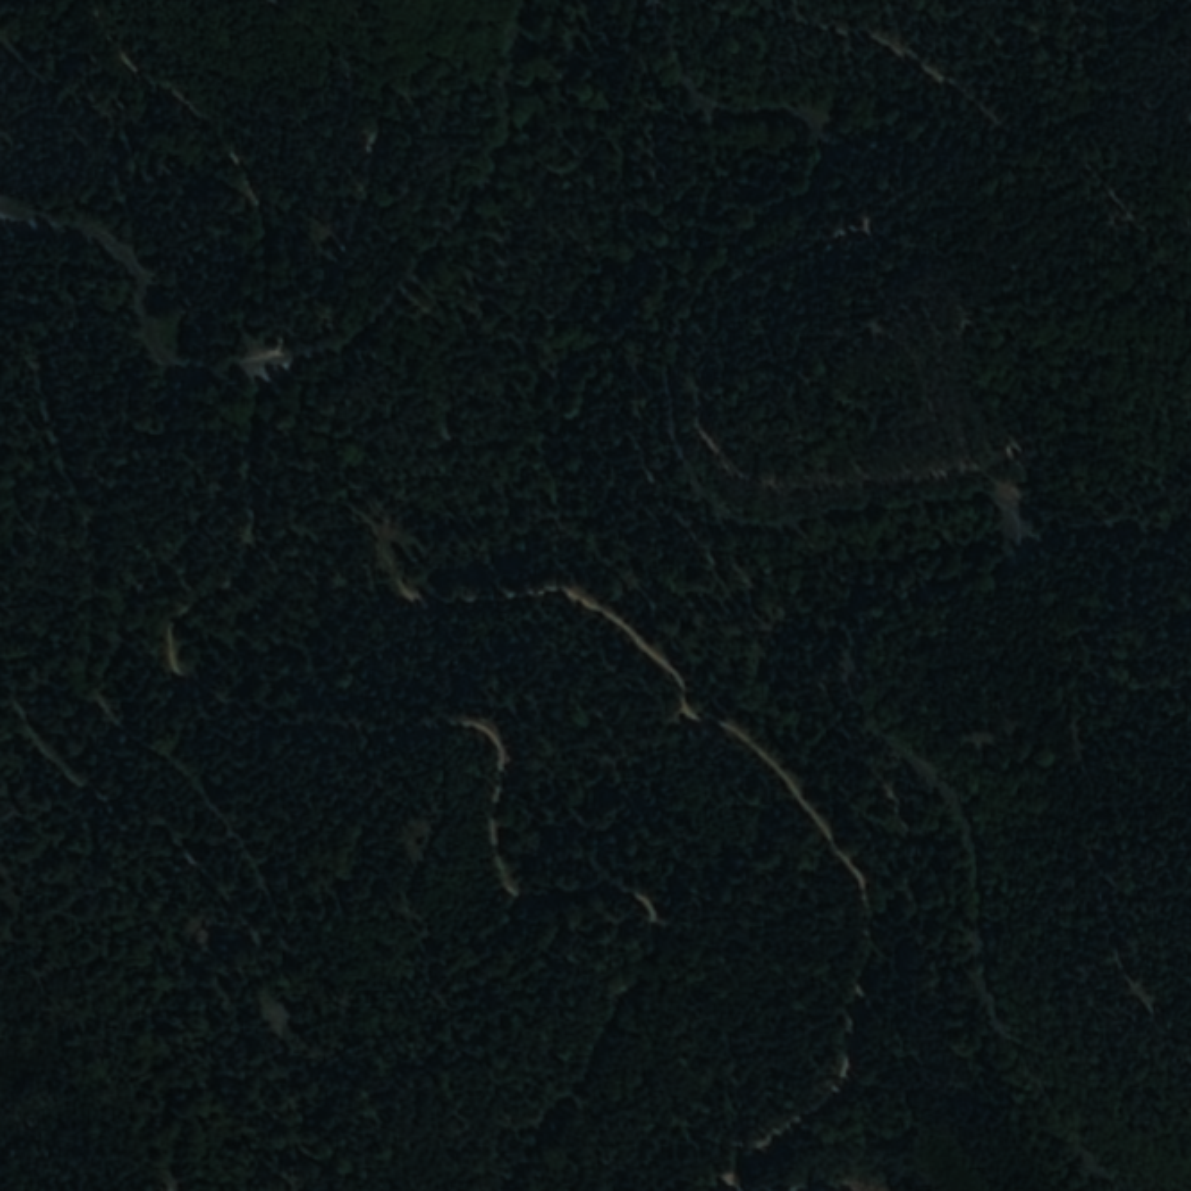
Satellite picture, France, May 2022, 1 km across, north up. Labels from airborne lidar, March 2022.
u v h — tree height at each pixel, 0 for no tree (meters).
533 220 25
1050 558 15
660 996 31
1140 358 24
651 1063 29
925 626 18
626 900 16
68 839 30
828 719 32
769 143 30
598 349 26
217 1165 6
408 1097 29
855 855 29
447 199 7
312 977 9
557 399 27
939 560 24
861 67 24
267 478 33
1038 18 30
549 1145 34
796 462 20
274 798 30
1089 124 27
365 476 35
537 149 25
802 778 33
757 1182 28
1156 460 18
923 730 23
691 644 26
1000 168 22
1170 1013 23
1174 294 23
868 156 31
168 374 6
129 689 33
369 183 21
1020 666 20
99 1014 12
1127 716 25
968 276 18
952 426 20
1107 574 12
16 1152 24
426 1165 29
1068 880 13
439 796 7
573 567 9
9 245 32
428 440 25
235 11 18
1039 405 22
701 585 19
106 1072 13
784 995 28
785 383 28
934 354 17
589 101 27
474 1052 12
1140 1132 23
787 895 35
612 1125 29
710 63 13
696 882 30
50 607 31
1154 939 18
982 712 16
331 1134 33
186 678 0
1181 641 30
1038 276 17
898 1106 19
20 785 28
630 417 8
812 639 33
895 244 8
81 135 35
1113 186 12
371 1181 21
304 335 22
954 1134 27
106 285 26
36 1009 10
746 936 31
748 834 16
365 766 34
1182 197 22
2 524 14
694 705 15
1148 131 22
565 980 20
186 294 31
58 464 9
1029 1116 31
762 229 28
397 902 13
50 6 25
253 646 18
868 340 23
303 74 19
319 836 27
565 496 17
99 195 34
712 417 28
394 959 31
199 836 24
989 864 21
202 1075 8
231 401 31
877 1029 28
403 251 22
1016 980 25
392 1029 9
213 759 27
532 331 26
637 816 34
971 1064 7
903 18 26
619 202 21
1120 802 21
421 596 0
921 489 24
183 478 23
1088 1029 15
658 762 12
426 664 9
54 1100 20
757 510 18
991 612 17
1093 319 24
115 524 32
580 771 13
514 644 6
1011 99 19
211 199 39
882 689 18
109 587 29
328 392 32
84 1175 7
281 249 17
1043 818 17
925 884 34
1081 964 22
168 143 28
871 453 24
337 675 31
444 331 31
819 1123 19
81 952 14
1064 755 20
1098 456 15
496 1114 22
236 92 21
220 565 23
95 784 35
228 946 37
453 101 13
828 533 22
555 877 28
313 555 28
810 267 19
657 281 29
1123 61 21
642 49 35
